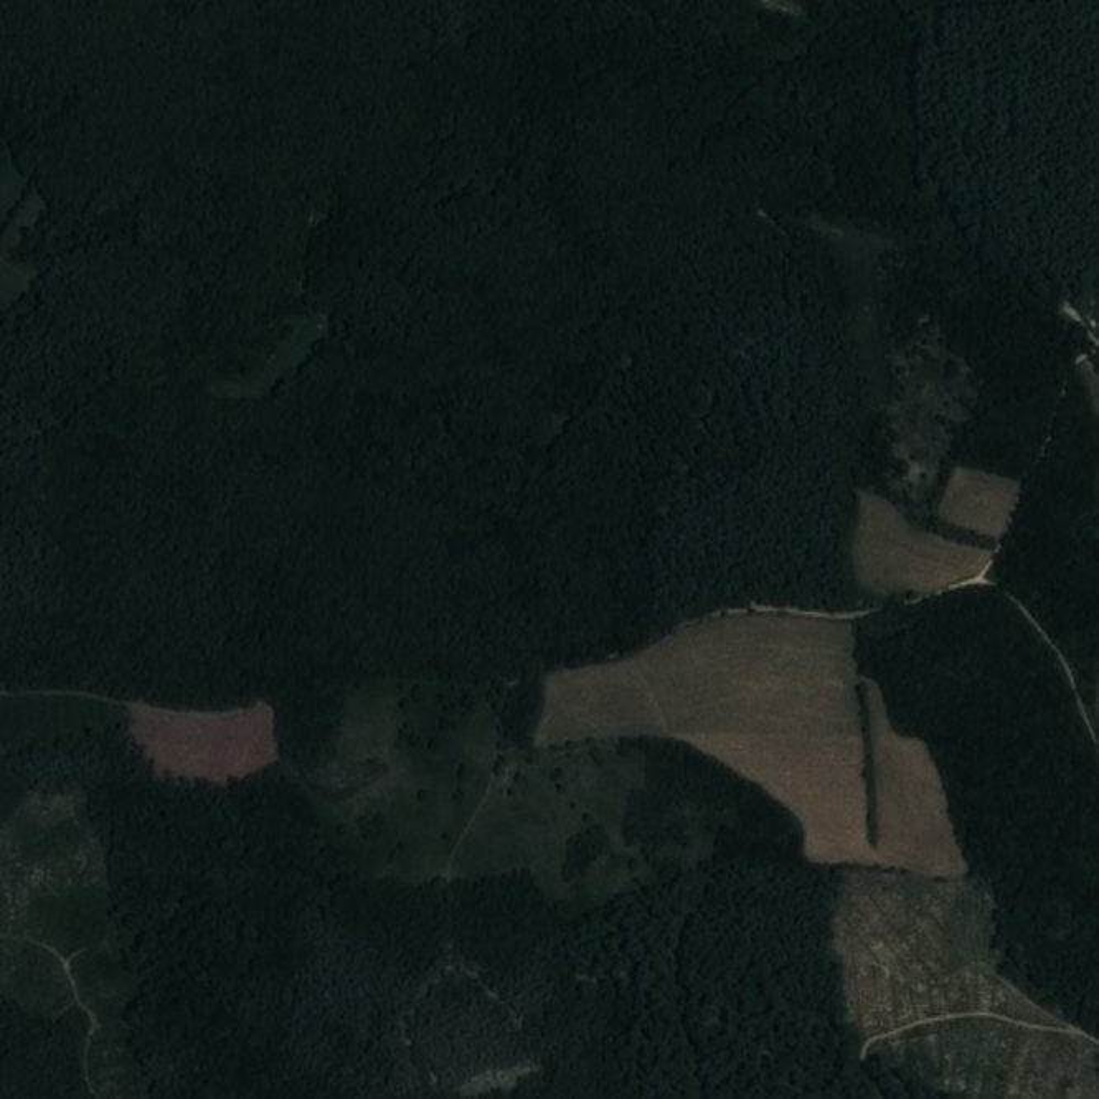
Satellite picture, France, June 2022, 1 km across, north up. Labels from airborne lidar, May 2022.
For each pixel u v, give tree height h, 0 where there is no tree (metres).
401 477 20
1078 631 7
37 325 12
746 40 22
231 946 9
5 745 8
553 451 18
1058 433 12
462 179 19
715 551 24
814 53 16
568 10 20
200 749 0
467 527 17
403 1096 11
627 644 14
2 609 13
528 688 8
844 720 0
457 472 19
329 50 21
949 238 7
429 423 19
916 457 9
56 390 16
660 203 25
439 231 19
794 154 22
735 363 25
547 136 17
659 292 21
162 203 20
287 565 17
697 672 0
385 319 19
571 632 15
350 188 25
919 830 0
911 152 9
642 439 23
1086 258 21
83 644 13
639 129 23
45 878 0
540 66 27
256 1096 14
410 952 7
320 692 11
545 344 23
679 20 15
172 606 20
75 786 9
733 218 21
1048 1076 0
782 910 30
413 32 20
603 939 25
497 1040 13
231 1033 13
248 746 0
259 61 19
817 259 17
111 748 13
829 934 25
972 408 10
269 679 18
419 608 18
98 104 19
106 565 15
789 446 25
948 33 25
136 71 18
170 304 21
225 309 22
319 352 13
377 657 16
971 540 13
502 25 28
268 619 22
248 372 18
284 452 16
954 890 0
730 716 0
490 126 12
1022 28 23
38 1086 15
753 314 23
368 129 22
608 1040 11
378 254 20
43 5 22
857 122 6
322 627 19
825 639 0
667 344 25
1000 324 10
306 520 20
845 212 12
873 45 9
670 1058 30
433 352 22
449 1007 11
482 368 24
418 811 0
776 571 28
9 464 19
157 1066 23
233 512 17
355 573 16
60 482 20
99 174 22
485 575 19
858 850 0
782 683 0
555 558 19
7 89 21
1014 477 12
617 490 17
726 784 11
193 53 16
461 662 18
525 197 21
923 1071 0
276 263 26
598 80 28
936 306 7
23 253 6
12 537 14
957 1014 0
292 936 14
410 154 26
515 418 25
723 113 28
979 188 29
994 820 9
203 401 19
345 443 19
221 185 24
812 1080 22
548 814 0
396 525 18
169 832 9
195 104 20
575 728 0
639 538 15
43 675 15
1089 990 16
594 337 22
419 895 8
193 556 17
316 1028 15
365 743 0
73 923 0
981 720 8
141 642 13
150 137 20
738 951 26
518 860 0
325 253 15
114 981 0
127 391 20
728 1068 25
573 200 21
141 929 14
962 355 9
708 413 19
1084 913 10
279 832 17
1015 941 15
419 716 0
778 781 0
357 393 24
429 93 20
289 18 16
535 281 25
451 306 25
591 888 0
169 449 22
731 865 16
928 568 0
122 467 19
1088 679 8
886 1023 0
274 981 14
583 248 29
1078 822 8
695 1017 19
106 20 16
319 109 24
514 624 18
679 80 27
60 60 21
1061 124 29
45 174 21
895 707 6
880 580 0
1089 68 32
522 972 13
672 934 29
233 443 17
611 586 18
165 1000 19
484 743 0
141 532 15
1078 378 13
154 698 14
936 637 12
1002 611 12
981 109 28
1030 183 31
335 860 10
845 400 23
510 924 9
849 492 10
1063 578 14
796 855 13
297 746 10
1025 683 7
